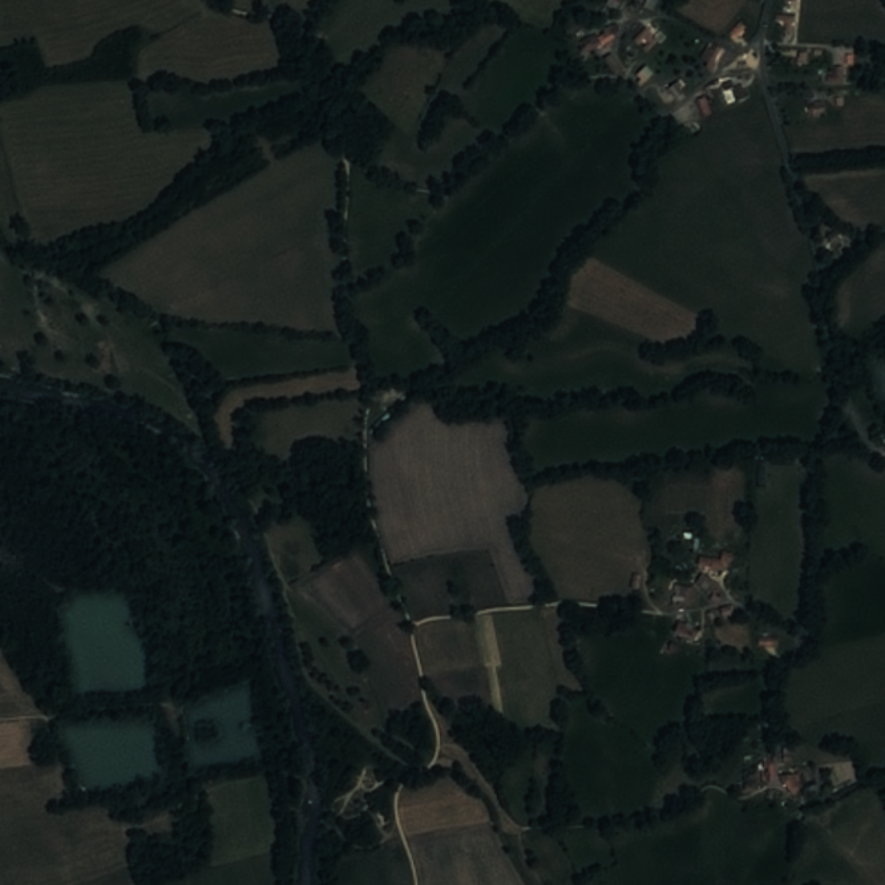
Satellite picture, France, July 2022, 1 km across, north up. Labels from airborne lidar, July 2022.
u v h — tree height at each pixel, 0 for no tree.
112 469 18
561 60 13
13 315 0
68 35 0
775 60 8
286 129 10
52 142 0
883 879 0
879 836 0
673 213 0
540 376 0
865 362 11
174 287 0
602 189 0
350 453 18
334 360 0
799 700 0
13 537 14
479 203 0
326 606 0
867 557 14
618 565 0
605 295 0
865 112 0
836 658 0
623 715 0
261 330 12
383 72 0
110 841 0
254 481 22
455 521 0
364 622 0
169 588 9
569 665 17
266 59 0
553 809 18
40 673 23
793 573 0
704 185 0
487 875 0
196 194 9
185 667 10
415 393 22
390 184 15
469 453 0
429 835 0
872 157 17
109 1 0
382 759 10
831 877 0
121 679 0
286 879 14
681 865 0
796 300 0
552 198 0
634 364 0
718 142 0
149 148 0
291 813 12
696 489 0
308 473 21
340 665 0
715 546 0
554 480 20
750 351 21
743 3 0
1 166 0
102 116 0
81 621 0
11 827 0
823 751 8
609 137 0
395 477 0
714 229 0
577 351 0
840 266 19
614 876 0
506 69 0
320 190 0
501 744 29
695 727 19
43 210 0
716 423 0
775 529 0
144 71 0
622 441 0
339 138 21
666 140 16
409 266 14
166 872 14
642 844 0
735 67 0
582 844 0
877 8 0
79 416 25
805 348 0
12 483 22
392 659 0
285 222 0
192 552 17
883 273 0
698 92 0
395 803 0
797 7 0
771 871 0
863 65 6
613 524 0
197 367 26
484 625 0
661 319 0
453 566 0
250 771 12
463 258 0
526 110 17
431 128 20
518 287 0
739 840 0
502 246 0
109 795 11
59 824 0
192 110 0
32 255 24
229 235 0
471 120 8
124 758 0
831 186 0
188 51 0
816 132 0
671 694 0
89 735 0
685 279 0
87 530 15
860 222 0
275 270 0
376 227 0
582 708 0
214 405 15
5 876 0
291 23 22
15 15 0
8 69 21
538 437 0
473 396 20
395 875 0
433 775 16
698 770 23
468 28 22
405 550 0
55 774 0
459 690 0
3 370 17
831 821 0
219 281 0
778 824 0
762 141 0
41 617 10
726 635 0
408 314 0
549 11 0
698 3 0
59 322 0
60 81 6
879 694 0
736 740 19
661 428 0
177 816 15
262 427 0
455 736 11
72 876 0
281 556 0
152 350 0
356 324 13
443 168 0
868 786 10
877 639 0
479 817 0
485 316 0
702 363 0
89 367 10
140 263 0
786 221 0
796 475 0
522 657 0
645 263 0
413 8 0
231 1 17
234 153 12
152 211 12
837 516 0
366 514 13
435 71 0
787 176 16
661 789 0
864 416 0
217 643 17
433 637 0
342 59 0
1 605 17
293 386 0
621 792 0
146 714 11
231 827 0
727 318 0
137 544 7
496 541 0
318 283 0
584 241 25
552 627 0
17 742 0
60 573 22
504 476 0
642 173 23
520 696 0
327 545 24
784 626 21
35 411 17
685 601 0
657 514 0
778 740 21
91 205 0
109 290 19
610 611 22
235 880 0
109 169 0
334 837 9
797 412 0
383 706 0
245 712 0
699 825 0
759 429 0
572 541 0
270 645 26
